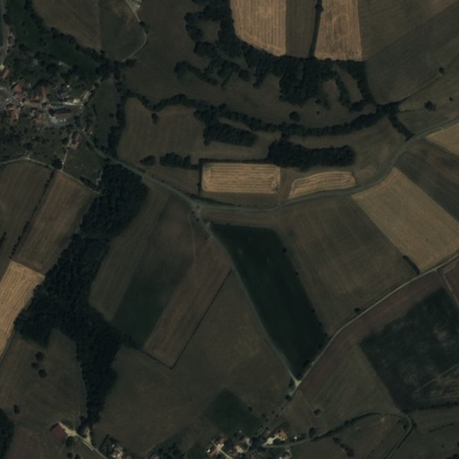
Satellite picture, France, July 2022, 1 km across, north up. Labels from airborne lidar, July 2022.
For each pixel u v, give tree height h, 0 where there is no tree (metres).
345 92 10
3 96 0
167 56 0
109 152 14
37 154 6
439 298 0
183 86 0
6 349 0
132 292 0
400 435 0
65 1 0
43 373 15
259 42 0
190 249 0
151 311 0
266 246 0
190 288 0
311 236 0
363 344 0
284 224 0
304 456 0
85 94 0
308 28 0
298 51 0
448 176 0
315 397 0
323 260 0
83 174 0
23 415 0
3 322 0
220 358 0
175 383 0
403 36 0
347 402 0
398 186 0
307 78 19
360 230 0
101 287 0
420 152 0
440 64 0
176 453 16
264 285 0
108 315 0
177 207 0
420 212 0
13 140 8
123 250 0
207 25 0
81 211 0
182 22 0
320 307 0
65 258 16
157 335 0
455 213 0
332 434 8
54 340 0
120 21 0
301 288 0
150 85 0
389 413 0
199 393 0
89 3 0
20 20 0
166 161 12
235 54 15
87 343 24
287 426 0
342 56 0
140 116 0
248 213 0
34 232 0
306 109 0
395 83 0
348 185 0
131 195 33
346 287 0
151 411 0
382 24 0
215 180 0
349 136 0
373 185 0
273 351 0
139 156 0
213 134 15
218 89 0
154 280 0
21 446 0
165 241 0
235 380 0
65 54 0
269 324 0
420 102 0
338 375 0
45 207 0
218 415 0
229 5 9
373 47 0
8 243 0
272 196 0
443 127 0
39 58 14
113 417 0
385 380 0
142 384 0
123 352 0
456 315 0
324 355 0
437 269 0
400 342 0
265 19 0
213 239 0
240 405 0
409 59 0
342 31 0
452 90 0
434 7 0
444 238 0
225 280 0
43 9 0
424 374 0
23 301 0
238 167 0
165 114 0
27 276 0
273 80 0
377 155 0
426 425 0
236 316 0
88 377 24
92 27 0
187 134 0
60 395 0
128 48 0
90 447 0
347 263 0
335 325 0
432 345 0
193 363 0
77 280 24
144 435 0
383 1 0
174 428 0
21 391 0
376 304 0
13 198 0
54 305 11
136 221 0
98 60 21
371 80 0
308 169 8
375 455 0
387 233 0
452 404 9
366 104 9
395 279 0
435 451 0
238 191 0
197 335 0
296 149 9
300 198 0
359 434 0
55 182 0
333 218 0
